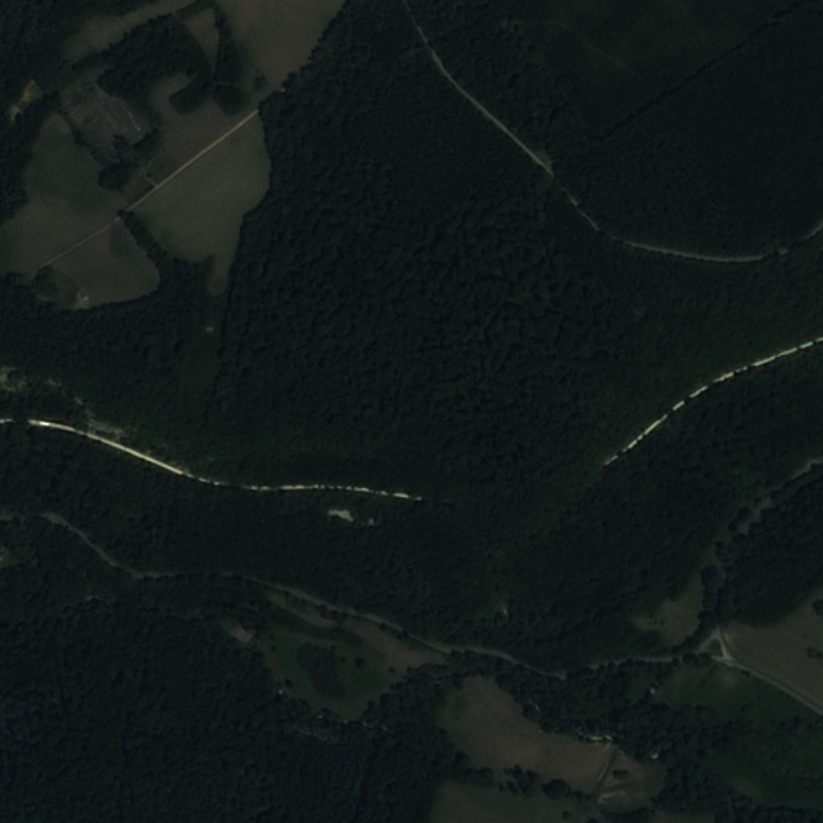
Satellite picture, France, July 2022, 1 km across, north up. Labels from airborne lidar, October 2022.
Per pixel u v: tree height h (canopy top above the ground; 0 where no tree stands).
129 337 23
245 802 23
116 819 26
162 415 16
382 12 18
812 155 10
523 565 20
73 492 23
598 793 0
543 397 25
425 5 16
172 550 20
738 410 27
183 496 23
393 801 23
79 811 24
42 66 12
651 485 30
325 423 17
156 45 16
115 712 28
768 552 26
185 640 18
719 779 9
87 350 19
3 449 27
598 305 17
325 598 10
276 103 16
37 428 11
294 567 19
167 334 22
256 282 24
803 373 21
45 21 16
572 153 18
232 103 8
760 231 12
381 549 23
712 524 26
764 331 18
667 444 9
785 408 23
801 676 0
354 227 24
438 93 17
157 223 0
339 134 19
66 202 0
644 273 12
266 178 0
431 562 22
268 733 30
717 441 9
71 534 27
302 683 0
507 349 24
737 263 9
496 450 7
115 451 7
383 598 12
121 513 17
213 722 27
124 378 19
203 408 7
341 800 0
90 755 33
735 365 16
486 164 17
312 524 17
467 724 0
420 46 15
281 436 18
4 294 22
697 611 0
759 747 6
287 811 28
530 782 18
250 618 8
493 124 16
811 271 15
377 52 15
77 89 0
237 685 23
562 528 15
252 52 0
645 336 21
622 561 28
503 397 25
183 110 7
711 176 14
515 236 24
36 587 6
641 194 12
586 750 0
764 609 12
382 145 18
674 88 9
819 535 13
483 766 0
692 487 12
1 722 31
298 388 23
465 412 17
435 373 24
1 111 12
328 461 20
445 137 17
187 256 0
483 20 22
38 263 0
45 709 28
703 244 11
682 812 8
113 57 19
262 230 17
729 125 9
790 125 11
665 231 10
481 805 0
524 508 21
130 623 29
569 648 25
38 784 26
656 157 21
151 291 0
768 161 12
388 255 23
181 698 20
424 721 23
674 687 0
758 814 20
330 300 23
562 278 24
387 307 26
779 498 19
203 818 22
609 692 23
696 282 11
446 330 25
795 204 10
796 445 21
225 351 16
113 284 0
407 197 23
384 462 21
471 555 22
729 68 7
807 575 10
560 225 19
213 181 0
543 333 28
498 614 8
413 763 29
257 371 23
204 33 0
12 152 22
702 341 15
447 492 18
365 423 21
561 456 21
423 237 15
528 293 31
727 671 0
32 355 21
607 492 21
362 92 15
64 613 7
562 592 22
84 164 0
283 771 27
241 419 22
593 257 16
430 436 22
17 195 19
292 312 27
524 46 18
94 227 0
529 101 26
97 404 13
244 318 16
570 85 7
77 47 0
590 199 16
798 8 14
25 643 10
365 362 16
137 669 22
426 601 16
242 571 27
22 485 24
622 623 22
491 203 17
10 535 23
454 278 25
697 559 7
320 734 0
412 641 8
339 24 15
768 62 12
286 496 18
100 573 24
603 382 20
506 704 0
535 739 0
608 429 15
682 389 18
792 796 0
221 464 15
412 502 7
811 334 13
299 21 0
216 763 21
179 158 0
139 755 35
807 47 15
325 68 15
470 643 6
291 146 17
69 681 25
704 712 15
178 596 21
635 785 0
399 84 17
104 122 0
